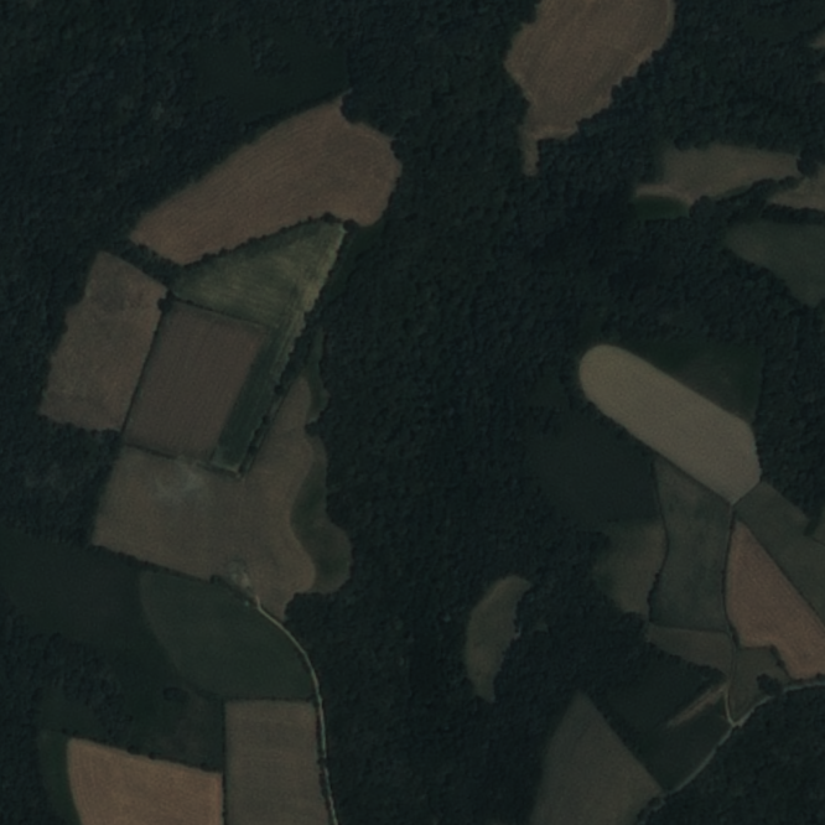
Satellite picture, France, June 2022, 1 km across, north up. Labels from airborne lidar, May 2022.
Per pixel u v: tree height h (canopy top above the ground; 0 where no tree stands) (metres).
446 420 26
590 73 0
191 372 0
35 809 13
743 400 0
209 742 0
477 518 22
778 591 0
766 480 7
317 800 0
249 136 16
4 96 21
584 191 16
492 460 15
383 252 14
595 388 0
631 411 0
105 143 18
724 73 10
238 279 0
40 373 12
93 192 15
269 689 0
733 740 8
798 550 0
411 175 12
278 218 0
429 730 29
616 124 21
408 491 23
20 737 13
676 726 0
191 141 17
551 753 0
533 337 15
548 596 14
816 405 13
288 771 0
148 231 0
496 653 0
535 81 0
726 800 17
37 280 13
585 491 0
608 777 0
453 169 19
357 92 15
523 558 20
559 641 13
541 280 11
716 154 0
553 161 12
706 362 0
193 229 0
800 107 11
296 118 0
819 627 0
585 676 15
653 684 0
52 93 18
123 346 0
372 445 16
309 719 0
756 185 15
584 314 15
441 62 17
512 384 16
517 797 11
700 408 0
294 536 0
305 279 0
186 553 0
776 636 0
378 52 17
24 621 8
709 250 27
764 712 12
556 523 16
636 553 0
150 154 13
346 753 12
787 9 7
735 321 13
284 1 13
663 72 31
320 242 0
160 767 0
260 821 0
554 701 12
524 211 19
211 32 12
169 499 0
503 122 22
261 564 0
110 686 14
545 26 0
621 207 17
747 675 0
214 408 0
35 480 16
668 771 0
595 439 0
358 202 0
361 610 19
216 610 0
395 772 18
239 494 0
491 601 0
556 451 0
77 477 10
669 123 14
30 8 17
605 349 0
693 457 0
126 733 14
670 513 0
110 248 13
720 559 0
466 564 26
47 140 10
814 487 12
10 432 11
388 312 14
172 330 0
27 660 23
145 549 0
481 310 13
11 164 19
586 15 0
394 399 18
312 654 11
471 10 18
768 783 17
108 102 18
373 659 13
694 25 13
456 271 18
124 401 0
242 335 0
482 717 20
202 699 0
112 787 0
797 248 0
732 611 0
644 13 0
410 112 19
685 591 0
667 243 17
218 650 0
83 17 21
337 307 10
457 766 23
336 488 17
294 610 13
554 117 0
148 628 0
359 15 19
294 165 0
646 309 13
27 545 0
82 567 0
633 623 19
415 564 20
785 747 16
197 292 0
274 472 0
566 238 28
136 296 0
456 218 19
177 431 0
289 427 0
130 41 15
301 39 0
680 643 0
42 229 12
